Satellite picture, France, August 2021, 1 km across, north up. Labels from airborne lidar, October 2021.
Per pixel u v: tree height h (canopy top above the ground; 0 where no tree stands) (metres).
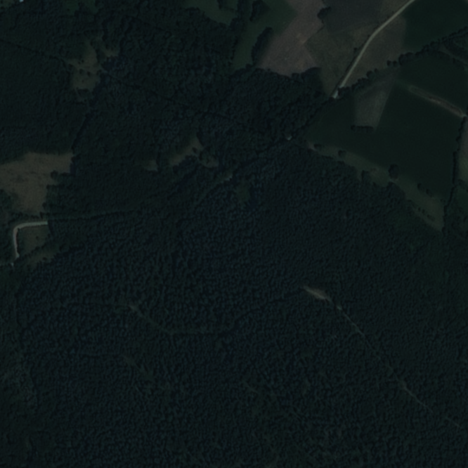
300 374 19
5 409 24
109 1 16
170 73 23
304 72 0
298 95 31
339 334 20
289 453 8
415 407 22
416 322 25
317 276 26
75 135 27
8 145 21
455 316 19
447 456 21
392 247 24
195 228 23
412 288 19
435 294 20
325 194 23
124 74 32
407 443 22
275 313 27
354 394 10
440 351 21
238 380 18
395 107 0
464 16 0
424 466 11
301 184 21
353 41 0
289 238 23
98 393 23
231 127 31
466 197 0
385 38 0
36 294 22
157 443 28
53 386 16
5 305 25
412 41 0
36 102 14
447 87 0
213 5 0
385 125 0
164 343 21
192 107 8
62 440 14
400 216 16
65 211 21
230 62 24
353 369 20
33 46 18
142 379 19
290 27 0
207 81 31
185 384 17
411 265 23
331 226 27
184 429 13
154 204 29
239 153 31
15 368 16
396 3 0
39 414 16
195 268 26
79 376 18
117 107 14
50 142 29
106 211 21
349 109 0
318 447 7
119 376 23
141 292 21
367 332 25
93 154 32
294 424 7
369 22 0
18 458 20
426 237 15
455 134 0
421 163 0
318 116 22
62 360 15
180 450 12
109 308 16
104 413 24
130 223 24
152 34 27
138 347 14
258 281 25
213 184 26
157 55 30
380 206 16
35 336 17
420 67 0
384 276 28
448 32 0
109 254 23
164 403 12
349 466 10
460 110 0
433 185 0
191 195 24
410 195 0
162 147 33
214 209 25
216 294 28
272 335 19
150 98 25
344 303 23
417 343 27
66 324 27
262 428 17
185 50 27
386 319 28
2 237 13
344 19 0
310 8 0
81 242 16
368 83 16
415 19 0
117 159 23
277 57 0
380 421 12
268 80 26
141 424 29
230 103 30
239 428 8
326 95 8
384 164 0
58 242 17
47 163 0
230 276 16
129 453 14
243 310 25
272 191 27
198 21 28
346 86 0
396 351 26
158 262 27
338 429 28
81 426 13
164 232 35
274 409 7
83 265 29
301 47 0
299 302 25
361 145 0
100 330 25
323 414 11
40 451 23
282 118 23
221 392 17
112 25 25
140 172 22
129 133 28
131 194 29
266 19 0
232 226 26
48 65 22
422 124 0
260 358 21
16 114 20
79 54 15
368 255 23
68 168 0
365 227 30
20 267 12
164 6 28
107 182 27
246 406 9
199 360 17
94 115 13
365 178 14
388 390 18
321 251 27
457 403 21
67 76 15
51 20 24
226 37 31
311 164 19
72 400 19
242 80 31
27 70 21
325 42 0
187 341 15
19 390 16
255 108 27
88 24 14
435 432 22
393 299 27
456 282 17
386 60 0
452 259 23
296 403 22
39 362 15
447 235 16
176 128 38
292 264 24
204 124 27
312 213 22
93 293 21
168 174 22
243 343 22
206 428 12
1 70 20
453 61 9
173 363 15
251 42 0
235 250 20
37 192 0
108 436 25
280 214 20
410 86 0
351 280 23
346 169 22
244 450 18
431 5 0
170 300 22
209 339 16
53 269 22
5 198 8
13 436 23
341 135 0
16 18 14
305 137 13
